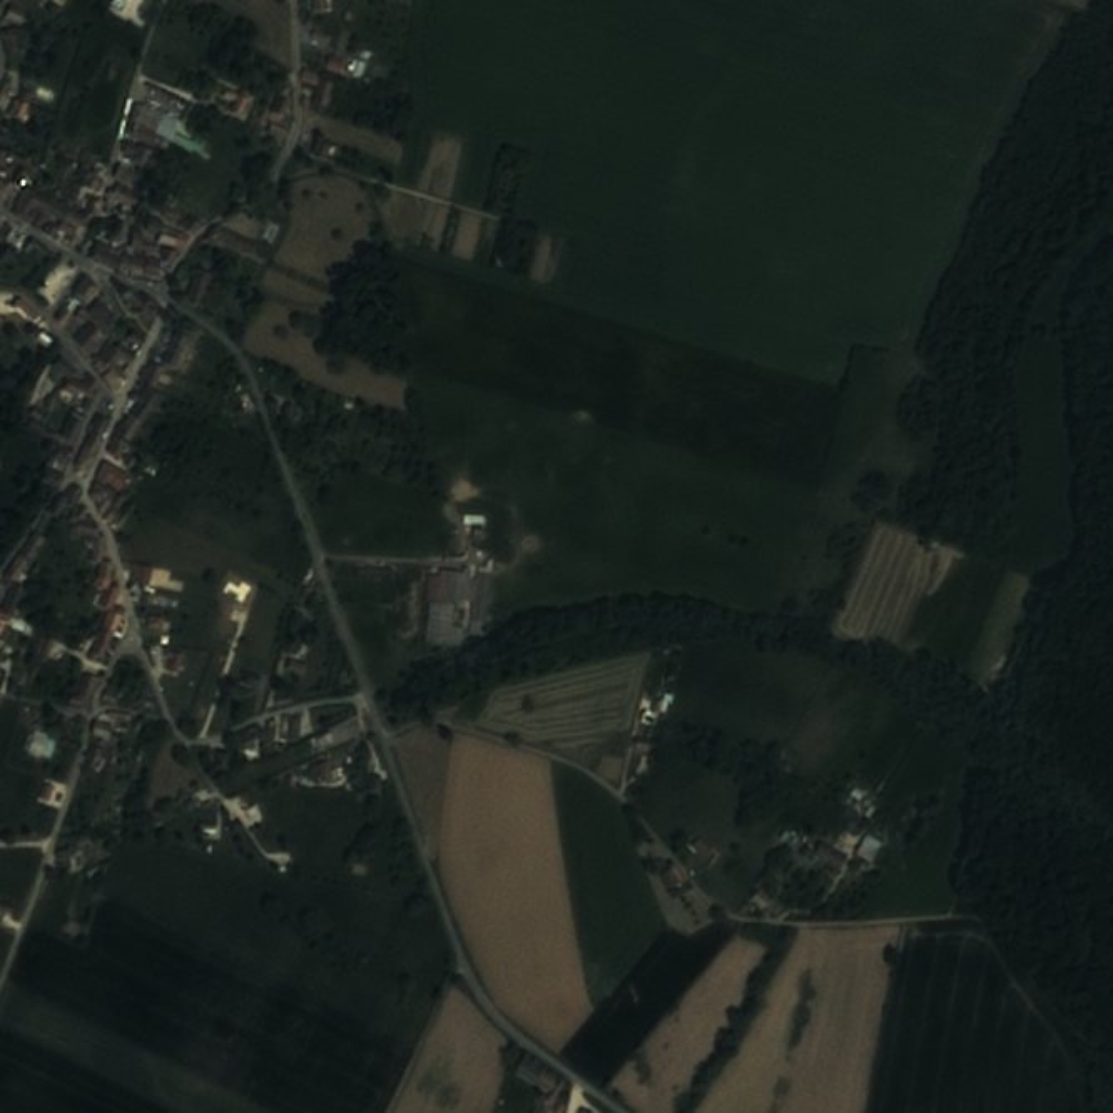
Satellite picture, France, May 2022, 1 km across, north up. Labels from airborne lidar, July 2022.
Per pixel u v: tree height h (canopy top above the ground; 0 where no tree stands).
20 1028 0
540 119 0
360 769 7
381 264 26
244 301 12
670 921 0
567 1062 0
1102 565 20
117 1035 0
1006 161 6
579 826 0
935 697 18
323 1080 0
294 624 9
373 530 0
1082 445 21
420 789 0
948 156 0
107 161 5
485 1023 0
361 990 0
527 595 0
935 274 0
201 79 9
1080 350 16
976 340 13
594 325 0
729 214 0
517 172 9
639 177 0
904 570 0
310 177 0
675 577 0
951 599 0
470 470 0
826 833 6
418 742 0
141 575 0
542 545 0
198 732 11
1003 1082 0
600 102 0
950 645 0
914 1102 0
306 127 0
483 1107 0
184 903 0
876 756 0
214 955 0
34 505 17
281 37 0
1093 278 21
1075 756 24
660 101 0
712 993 0
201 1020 0
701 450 0
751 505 0
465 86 0
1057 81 7
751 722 0
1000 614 0
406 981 13
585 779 0
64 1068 0
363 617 0
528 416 0
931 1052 0
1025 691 24
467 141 0
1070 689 17
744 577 0
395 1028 0
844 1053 0
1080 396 20
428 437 17
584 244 0
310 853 0
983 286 11
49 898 0
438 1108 0
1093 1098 18
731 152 0
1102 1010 25
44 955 0
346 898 0
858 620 0
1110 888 27
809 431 0
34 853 0
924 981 0
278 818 0
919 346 8
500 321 0
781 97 0
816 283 0
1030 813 22
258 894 0
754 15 0
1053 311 0
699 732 14
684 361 0
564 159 0
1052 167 6
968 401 22
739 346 0
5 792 0
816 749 0
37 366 13
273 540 0
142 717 6
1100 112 12
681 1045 0
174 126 0
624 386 0
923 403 7
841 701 0
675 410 0
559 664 8
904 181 0
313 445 8
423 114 0
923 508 13
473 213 0
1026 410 0
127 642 0
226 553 0
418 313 0
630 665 0
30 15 11
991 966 0
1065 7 0
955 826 0
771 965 8
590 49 0
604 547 0
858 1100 0
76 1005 0
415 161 0
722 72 0
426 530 0
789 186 0
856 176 0
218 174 0
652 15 0
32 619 10
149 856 0
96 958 0
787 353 0
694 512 0
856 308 0
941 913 0
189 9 6
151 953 0
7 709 0
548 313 0
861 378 0
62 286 0
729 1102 0
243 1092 0
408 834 13
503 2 0
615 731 0
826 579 0
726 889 0
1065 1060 0
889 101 0
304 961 0
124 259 0
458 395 0
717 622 15
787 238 0
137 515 6
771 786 15
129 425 0
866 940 0
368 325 29
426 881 12
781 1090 0
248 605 0
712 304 0
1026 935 23
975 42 0
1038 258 17
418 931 0
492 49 0
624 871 0
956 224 0
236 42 20
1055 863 29
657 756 12
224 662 0
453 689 23
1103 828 20
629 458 0
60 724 8
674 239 0
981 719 16
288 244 0
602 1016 0
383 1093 0
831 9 0
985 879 24
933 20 0
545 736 0
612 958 0
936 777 0
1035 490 0
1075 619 25
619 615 16
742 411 0
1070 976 25
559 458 0
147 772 7
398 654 0
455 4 0
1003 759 19
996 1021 0
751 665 0
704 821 0
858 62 0
